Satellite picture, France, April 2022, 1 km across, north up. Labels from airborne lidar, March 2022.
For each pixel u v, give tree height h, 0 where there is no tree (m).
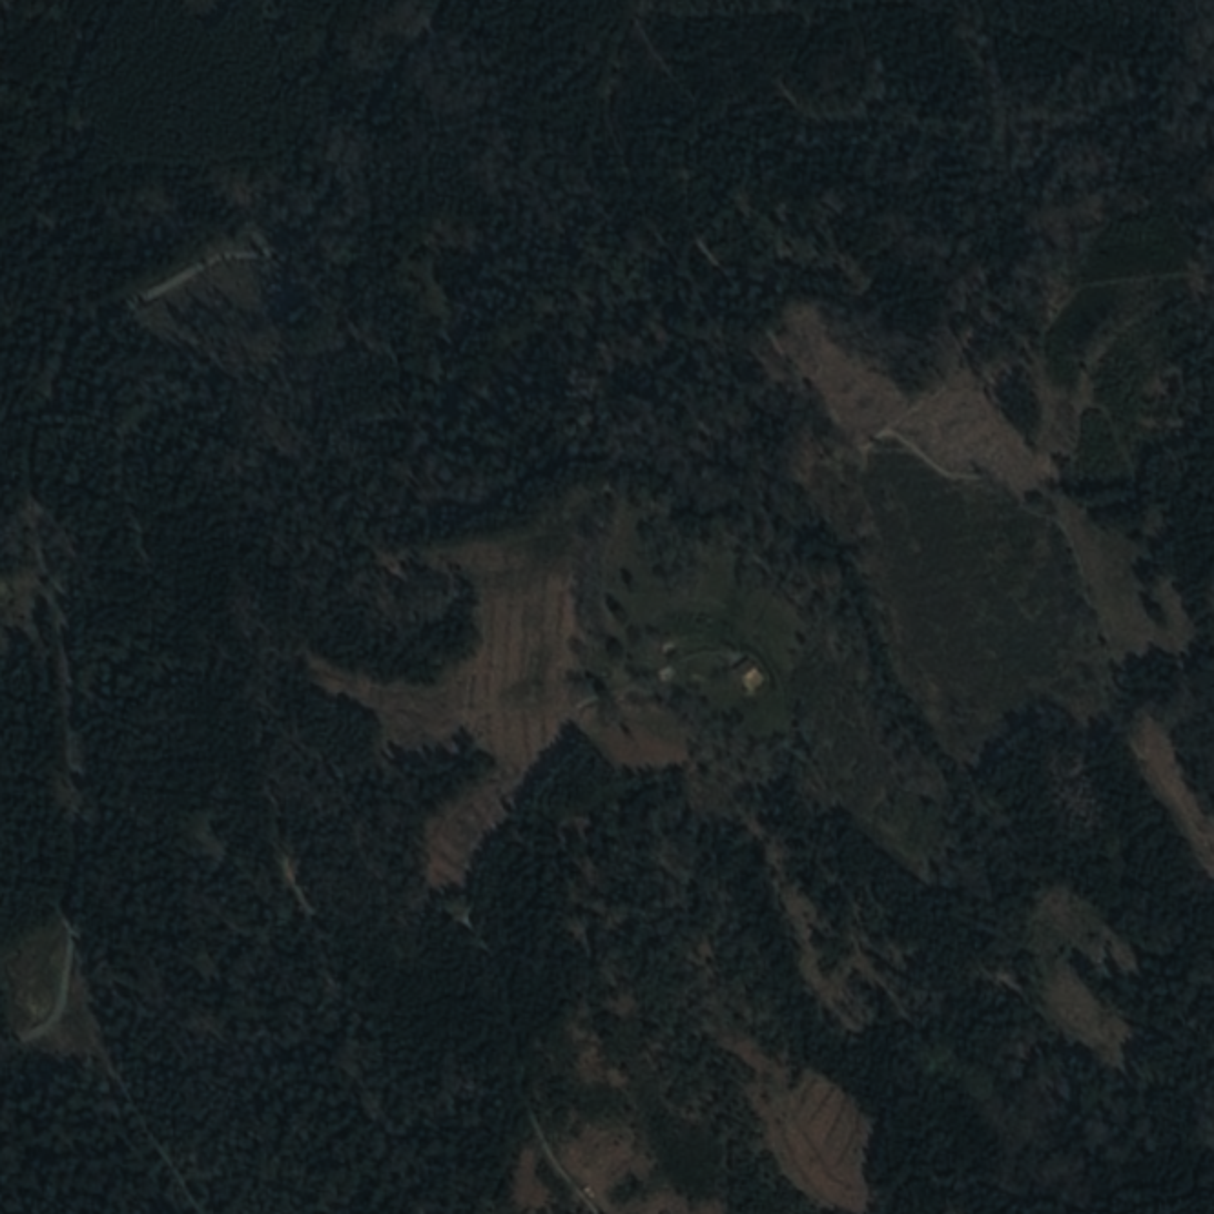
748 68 12
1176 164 11
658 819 22
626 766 0
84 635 31
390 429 12
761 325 21
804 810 29
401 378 24
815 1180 0
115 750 25
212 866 18
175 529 19
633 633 0
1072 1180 14
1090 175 22
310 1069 11
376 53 15
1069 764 33
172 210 20
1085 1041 0
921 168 21
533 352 9
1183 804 0
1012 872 19
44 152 13
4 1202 20
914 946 34
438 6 17
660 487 28
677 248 13
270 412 21
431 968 17
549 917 22
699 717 23
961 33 20
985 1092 19
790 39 14
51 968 0
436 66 28
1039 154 16
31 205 24
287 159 22
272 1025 15
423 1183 29
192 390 26
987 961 31
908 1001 23
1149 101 9
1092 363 24
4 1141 24
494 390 9
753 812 17
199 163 29
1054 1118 21
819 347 0
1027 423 32
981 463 0
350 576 13
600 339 13
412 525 29
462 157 28
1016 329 29
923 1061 22
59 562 27
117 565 25
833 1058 20
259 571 18
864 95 12
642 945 19
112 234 32
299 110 29
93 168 25
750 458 34
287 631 25
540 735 0
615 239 31
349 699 0
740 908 13
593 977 18
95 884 28
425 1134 17
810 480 25
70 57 18
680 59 15
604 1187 0
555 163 26
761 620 0
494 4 25
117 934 27
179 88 30
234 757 18
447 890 0
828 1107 0
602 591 26
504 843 13
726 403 36
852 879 27
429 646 19
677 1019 16
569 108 29
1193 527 23
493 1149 16
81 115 36
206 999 29
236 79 31
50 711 31
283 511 17
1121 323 19
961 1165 21
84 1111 44
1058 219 19
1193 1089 28
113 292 28
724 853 7
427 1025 20
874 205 11
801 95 13
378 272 23
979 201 16
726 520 24
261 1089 21
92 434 21
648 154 14
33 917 37
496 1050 16
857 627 19
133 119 27
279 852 12
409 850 19
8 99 40
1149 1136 30
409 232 36
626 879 17
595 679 11
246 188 17
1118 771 30
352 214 30
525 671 0
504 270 30
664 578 12
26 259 28
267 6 29
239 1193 21
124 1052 28
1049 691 0
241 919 26
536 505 31
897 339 25
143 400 28
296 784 25
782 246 30
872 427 0
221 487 20
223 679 19
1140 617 0
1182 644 0
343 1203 12
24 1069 11
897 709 23
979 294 26
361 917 19
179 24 28
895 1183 16
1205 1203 23
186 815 18
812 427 19
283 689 20
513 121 23
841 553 17
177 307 0
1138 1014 28
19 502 37
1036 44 21
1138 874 24
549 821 10
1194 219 13
